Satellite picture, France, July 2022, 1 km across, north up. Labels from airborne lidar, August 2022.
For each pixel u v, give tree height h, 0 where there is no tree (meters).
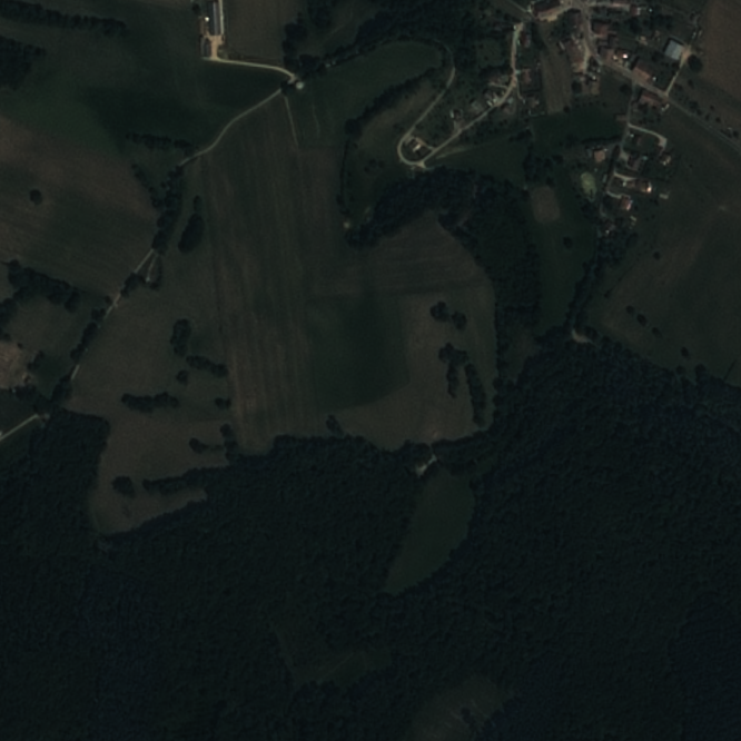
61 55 0
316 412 0
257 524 19
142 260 0
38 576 13
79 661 12
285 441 14
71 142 0
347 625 22
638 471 20
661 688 22
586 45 0
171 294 0
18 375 0
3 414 0
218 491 17
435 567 0
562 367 21
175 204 14
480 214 7
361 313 0
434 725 0
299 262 0
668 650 11
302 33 18
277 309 0
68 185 0
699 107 7
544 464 21
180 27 0
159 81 0
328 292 0
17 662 16
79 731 8
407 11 21
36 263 0
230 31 0
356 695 26
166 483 11
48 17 14
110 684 17
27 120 0
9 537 13
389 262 0
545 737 18
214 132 0
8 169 0
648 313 0
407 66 0
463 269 0
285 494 17
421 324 0
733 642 19
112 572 19
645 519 20
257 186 0
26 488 17
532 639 23
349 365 0
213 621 17
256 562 18
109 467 0
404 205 20
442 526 0
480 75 7
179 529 18
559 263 0
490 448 21
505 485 26
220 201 0
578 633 22
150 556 18
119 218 0
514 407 15
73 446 17
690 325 0
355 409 0
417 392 0
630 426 8
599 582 20
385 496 19
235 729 20
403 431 0
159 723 23
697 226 0
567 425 10
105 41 0
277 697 21
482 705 0
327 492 20
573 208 0
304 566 17
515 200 13
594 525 18
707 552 21
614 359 24
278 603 19
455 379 14
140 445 0
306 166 0
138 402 14
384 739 22
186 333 11
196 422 0
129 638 19
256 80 0
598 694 23
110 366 0
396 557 9
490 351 0
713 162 0
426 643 21
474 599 22
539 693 22
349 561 19
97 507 0
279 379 0
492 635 21
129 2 0
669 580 21
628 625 18
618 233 10
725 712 23
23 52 13
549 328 0
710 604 19
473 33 20
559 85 0
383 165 6
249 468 20
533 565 23
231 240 0
